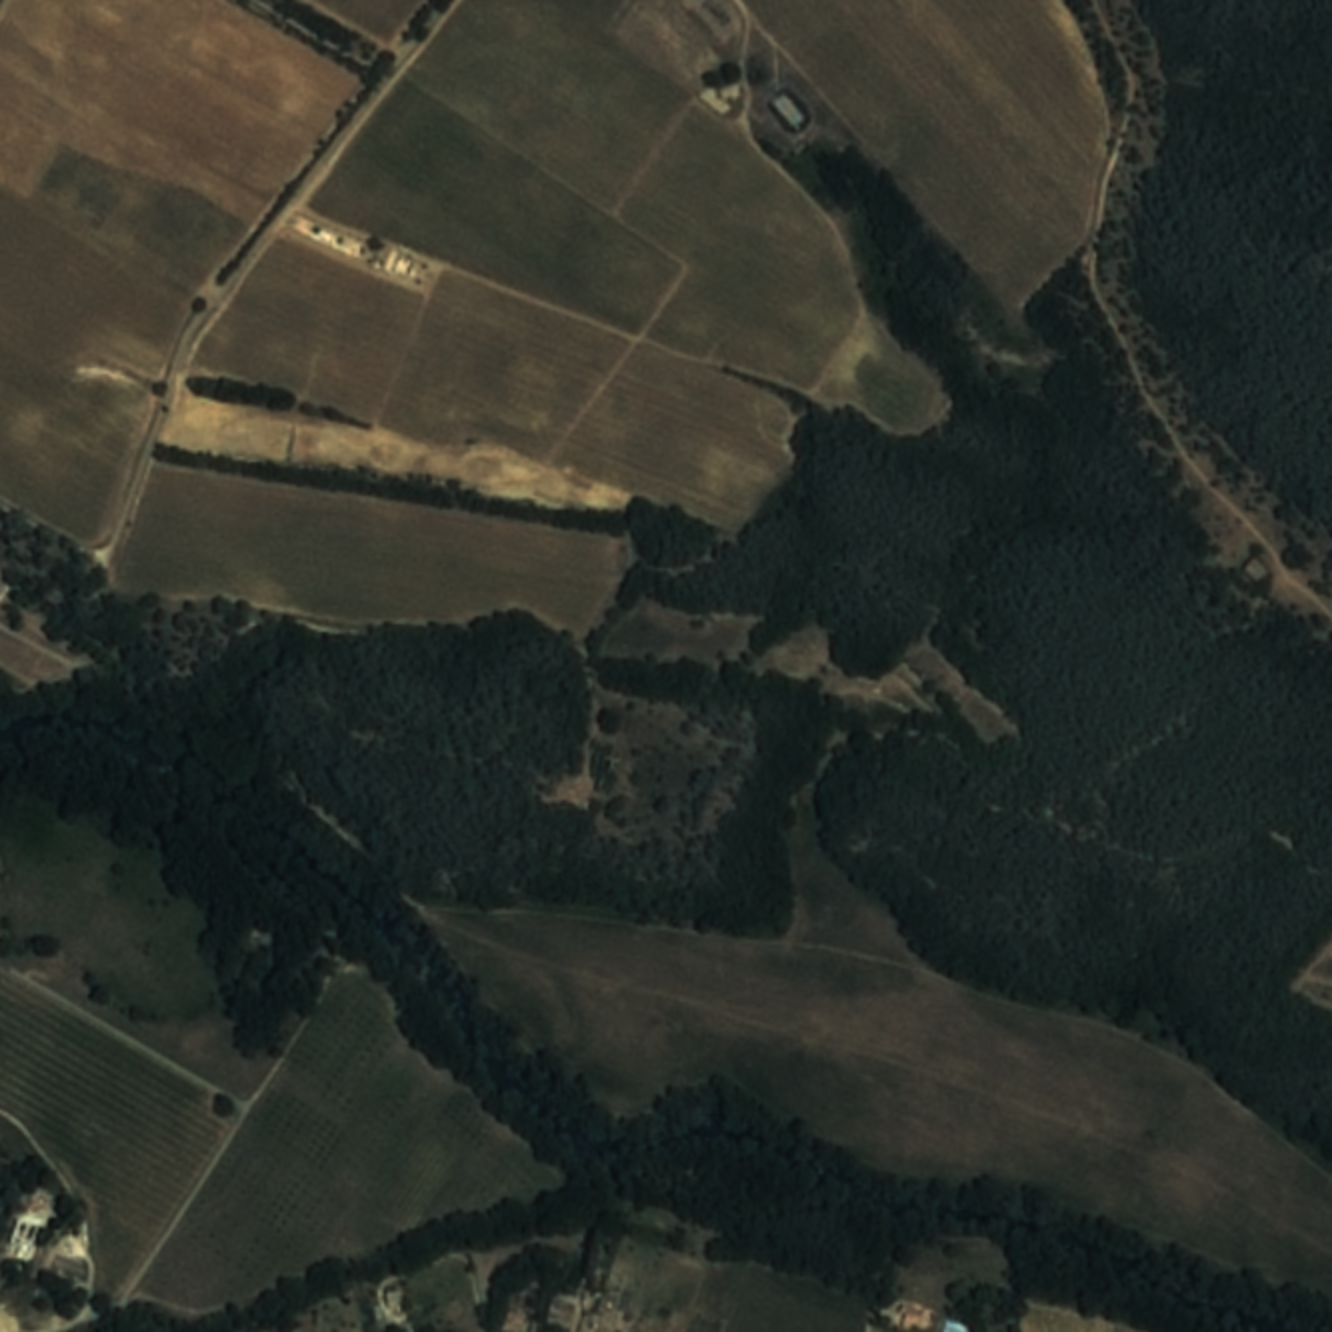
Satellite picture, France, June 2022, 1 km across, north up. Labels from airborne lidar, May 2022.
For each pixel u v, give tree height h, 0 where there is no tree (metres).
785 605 16
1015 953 16
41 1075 0
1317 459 15
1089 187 0
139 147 0
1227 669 17
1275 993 9
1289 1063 9
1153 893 13
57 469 0
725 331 0
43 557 16
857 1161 17
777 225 0
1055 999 13
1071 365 9
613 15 0
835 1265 23
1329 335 17
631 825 16
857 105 0
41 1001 0
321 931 23
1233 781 14
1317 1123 15
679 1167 10
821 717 15
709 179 0
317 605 0
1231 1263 0
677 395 0
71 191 0
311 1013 15
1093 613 15
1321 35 5
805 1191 15
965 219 0
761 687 15
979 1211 18
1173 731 12
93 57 0
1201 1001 11
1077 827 8
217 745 29
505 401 0
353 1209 0
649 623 0
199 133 0
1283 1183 0
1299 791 14
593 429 0
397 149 0
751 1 0
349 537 0
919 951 12
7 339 0
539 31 0
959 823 14
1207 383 15
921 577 9
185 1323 8
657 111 0
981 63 0
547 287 0
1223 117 10
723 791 14
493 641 14
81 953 0
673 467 0
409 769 14
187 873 21
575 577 0
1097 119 0
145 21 0
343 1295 12
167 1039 0
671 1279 0
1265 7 15
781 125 0
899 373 0
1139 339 6
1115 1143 0
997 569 9
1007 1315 8
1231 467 12
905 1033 0
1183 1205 0
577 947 0
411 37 8
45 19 0
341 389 0
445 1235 20
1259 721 17
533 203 0
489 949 0
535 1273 8
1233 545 0
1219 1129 0
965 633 15
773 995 0
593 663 10
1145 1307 18
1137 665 12
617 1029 0
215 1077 0
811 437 10
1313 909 16
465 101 0
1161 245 13
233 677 20
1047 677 13
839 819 13
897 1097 0
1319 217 6
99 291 0
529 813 14
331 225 0
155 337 0
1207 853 15
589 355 0
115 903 0
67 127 0
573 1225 14
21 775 14
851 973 0
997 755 10
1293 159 12
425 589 0
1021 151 0
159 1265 0
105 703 27
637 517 13
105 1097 0
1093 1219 9
